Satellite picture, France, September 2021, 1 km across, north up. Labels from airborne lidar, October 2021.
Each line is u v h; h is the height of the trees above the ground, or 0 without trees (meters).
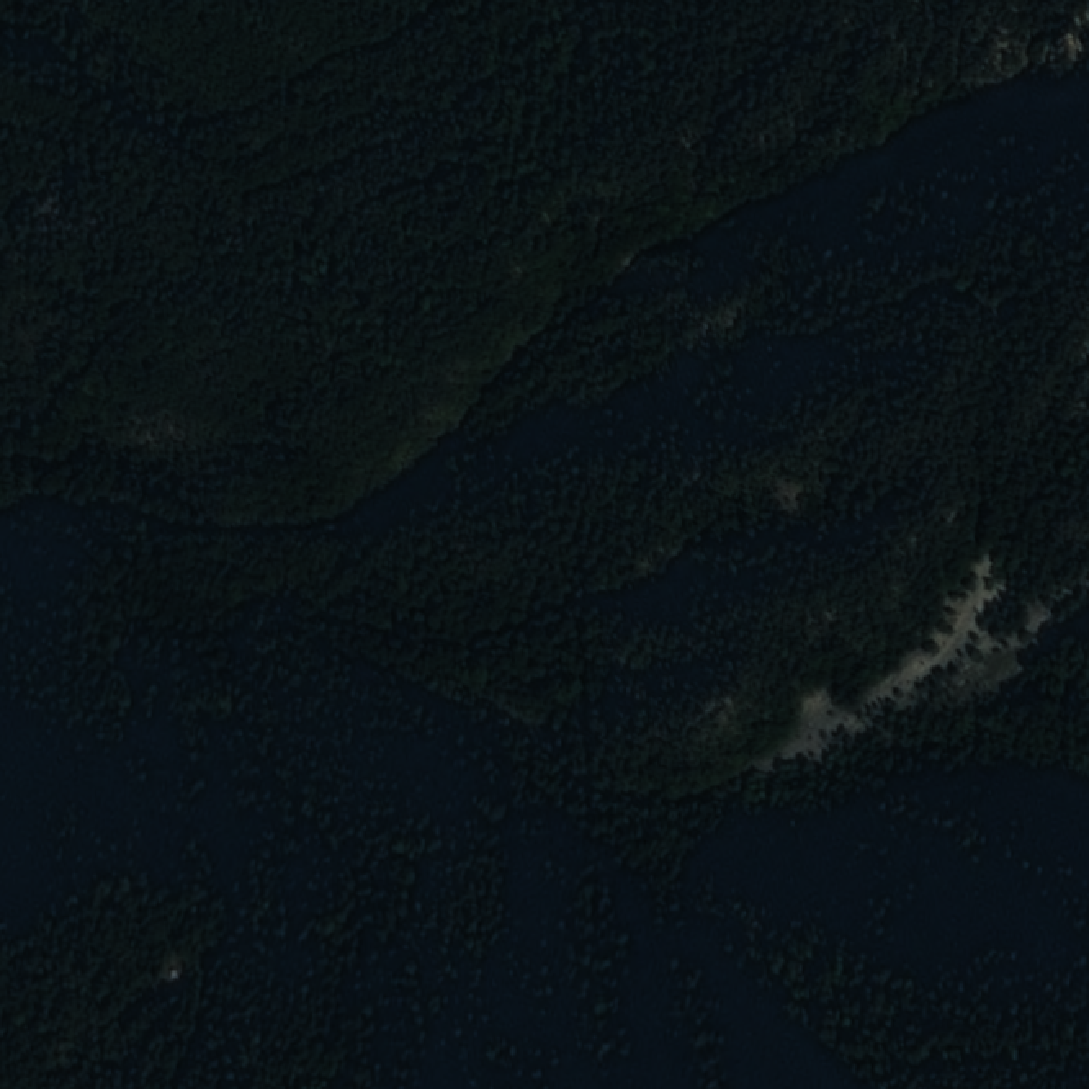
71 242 19
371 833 32
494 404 23
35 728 23
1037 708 29
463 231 24
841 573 25
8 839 25
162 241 21
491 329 15
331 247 22
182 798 28
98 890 18
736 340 17
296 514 24
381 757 28
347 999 20
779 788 14
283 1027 22
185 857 27
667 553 7
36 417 21
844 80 19
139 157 18
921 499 35
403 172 29
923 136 19
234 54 24
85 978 28
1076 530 12
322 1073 20
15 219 24
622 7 26
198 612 23
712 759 19
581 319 20
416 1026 26
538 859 24
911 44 22
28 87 20
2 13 14
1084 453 23
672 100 21
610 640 26
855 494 15
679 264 13
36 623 29
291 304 24
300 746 32
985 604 0
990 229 21
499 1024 24
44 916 22
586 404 18
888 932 19
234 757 20
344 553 17
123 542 20
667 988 27
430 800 19
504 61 28
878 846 30
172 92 27
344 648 31
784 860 32
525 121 20
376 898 30
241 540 17
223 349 15
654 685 17
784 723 28
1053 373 27
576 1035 22
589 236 28
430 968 29
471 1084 29
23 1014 23
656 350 15
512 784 31
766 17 29
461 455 33
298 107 25
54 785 15
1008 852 31
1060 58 18
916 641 19
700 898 24
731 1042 18
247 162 18
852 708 18
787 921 31
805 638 23
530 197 22
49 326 9
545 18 24
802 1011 22
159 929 18
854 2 26
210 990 18
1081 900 28
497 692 20
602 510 25
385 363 19
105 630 27
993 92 10
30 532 19
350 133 22
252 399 25
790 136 10
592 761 29
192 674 23
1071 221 22
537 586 16
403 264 25
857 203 15
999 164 13
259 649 29
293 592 23
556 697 31
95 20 18
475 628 35
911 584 24
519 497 21
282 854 29
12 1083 18
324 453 19
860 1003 31
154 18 22
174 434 11
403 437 12
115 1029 23
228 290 26
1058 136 17
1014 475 25
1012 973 28
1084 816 18
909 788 20
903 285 24
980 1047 28
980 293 13
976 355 26
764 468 9
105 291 30
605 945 26
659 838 19
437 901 23
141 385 23
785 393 18
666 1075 30
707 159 19
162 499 18
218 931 26
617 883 15
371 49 14
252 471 23
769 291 7
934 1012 20
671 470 23
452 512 30
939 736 13
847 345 31
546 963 17
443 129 26
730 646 22
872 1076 26
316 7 17
